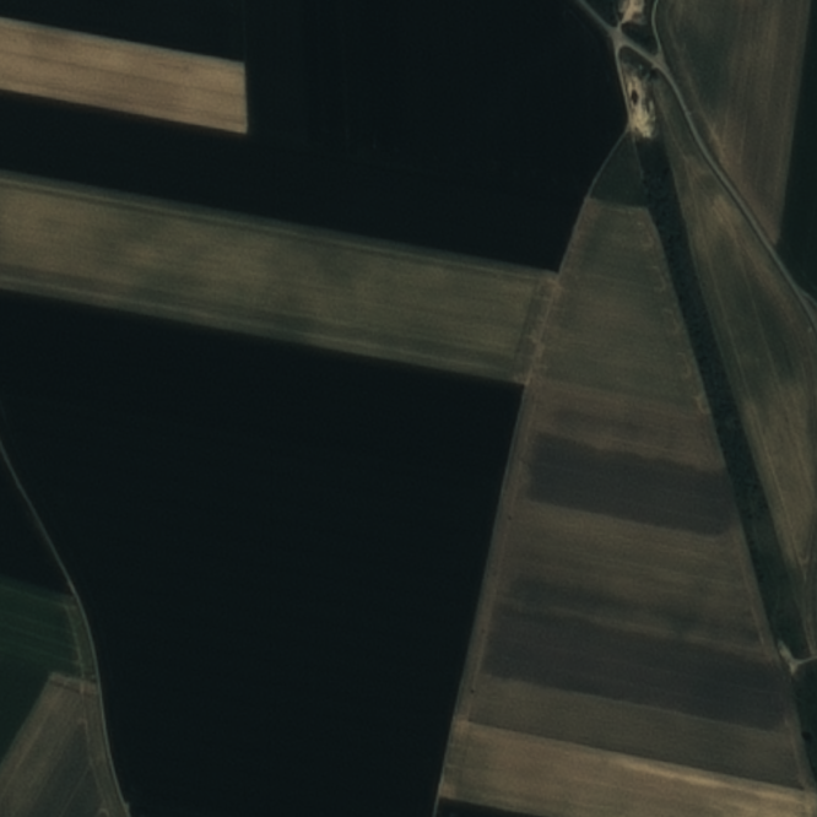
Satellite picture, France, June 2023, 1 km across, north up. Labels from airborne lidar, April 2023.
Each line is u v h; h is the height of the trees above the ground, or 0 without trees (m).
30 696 0
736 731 0
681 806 0
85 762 0
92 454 0
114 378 0
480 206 0
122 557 0
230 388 0
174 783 0
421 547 0
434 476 0
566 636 0
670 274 0
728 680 0
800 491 0
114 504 0
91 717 0
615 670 0
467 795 0
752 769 0
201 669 0
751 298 0
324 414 0
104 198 0
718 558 0
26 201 0
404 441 0
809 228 0
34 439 0
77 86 0
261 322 0
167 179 0
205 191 0
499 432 0
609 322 0
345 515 0
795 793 0
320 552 0
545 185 0
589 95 0
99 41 0
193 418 0
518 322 0
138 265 0
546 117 0
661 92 0
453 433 0
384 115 0
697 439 0
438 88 0
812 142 0
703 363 8
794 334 0
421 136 0
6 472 0
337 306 0
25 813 0
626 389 0
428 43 0
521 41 0
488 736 0
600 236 0
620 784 0
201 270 0
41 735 0
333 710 0
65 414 0
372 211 0
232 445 0
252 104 0
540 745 0
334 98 0
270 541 0
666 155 0
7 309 0
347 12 0
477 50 0
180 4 0
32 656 0
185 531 0
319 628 0
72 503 0
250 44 0
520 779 0
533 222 0
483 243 0
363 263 0
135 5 0
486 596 0
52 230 0
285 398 0
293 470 0
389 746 0
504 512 0
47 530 0
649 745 0
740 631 0
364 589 0
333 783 0
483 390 0
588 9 0
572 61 0
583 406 0
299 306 0
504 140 0
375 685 0
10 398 0
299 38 0
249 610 0
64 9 0
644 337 0
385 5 0
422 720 0
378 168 0
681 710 0
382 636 0
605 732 0
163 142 0
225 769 0
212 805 0
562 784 0
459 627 0
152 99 0
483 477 0
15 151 0
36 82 0
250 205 0
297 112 0
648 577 0
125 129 0
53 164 0
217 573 0
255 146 0
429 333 0
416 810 0
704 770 0
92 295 0
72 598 0
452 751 0
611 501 0
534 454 0
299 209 0
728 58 0
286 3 0
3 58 0
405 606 0
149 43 0
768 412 0
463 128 0
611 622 0
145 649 0
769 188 0
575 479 0
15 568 0
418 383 0
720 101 0
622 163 0
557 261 0
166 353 0
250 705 0
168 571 0
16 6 0
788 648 0
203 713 0
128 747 0
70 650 0
